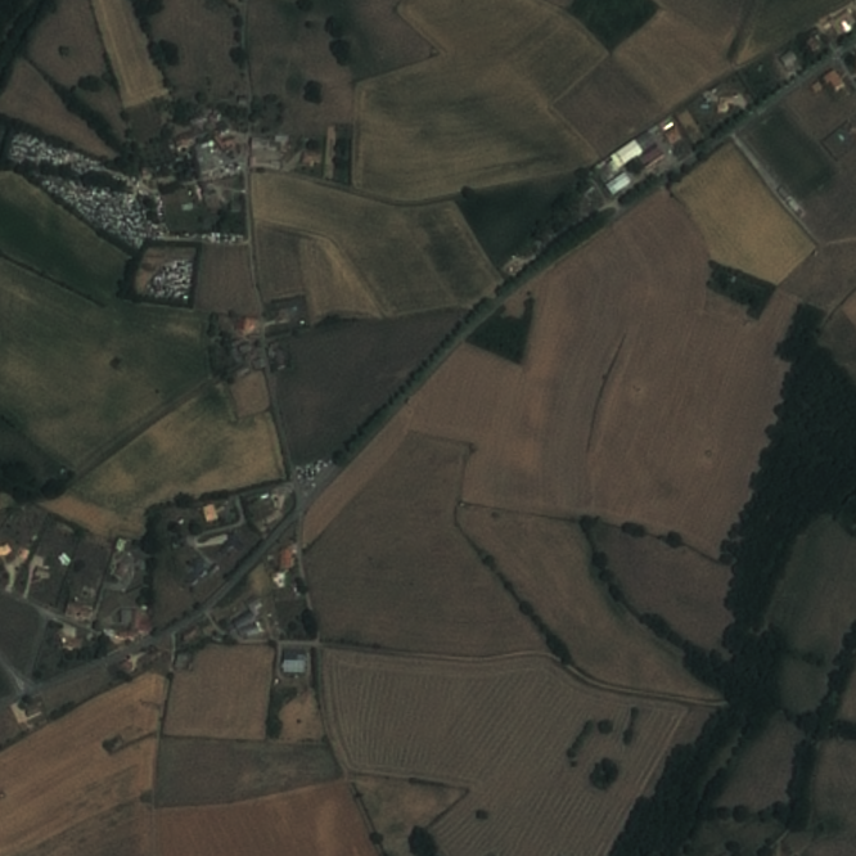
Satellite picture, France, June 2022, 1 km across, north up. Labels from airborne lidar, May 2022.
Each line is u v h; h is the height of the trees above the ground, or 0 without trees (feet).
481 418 0
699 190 0
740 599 46
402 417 0
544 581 0
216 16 0
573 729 0
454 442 0
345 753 0
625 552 0
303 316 0
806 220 0
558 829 0
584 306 0
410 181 0
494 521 0
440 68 0
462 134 0
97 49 0
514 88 0
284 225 0
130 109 0
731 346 0
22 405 0
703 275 0
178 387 0
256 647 0
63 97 46
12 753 0
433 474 0
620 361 0
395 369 0
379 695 0
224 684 0
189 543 0
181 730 0
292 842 0
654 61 0
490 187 0
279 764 0
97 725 0
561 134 0
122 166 46
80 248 0
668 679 0
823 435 36
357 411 0
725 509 0
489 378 0
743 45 0
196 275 27
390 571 0
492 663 0
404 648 0
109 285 0
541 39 0
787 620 0
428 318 0
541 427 0
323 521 0
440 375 0
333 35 52
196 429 0
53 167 36
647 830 64
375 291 0
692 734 0
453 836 0
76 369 0
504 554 0
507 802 0
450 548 0
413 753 0
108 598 0
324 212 0
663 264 0
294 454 0
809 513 67
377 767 0
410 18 0
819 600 0
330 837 0
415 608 0
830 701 47
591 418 0
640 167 47
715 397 0
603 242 0
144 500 0
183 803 0
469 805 0
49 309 0
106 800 0
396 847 0
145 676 0
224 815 0
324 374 0
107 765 0
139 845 0
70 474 26
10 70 25
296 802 0
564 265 0
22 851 0
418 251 0
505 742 0
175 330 0
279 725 0
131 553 0
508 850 0
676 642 41
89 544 0
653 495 0
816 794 0
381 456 0
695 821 47
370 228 0
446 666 0
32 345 0
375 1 0
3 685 0
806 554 0
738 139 0
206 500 36
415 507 0
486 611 0
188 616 26
